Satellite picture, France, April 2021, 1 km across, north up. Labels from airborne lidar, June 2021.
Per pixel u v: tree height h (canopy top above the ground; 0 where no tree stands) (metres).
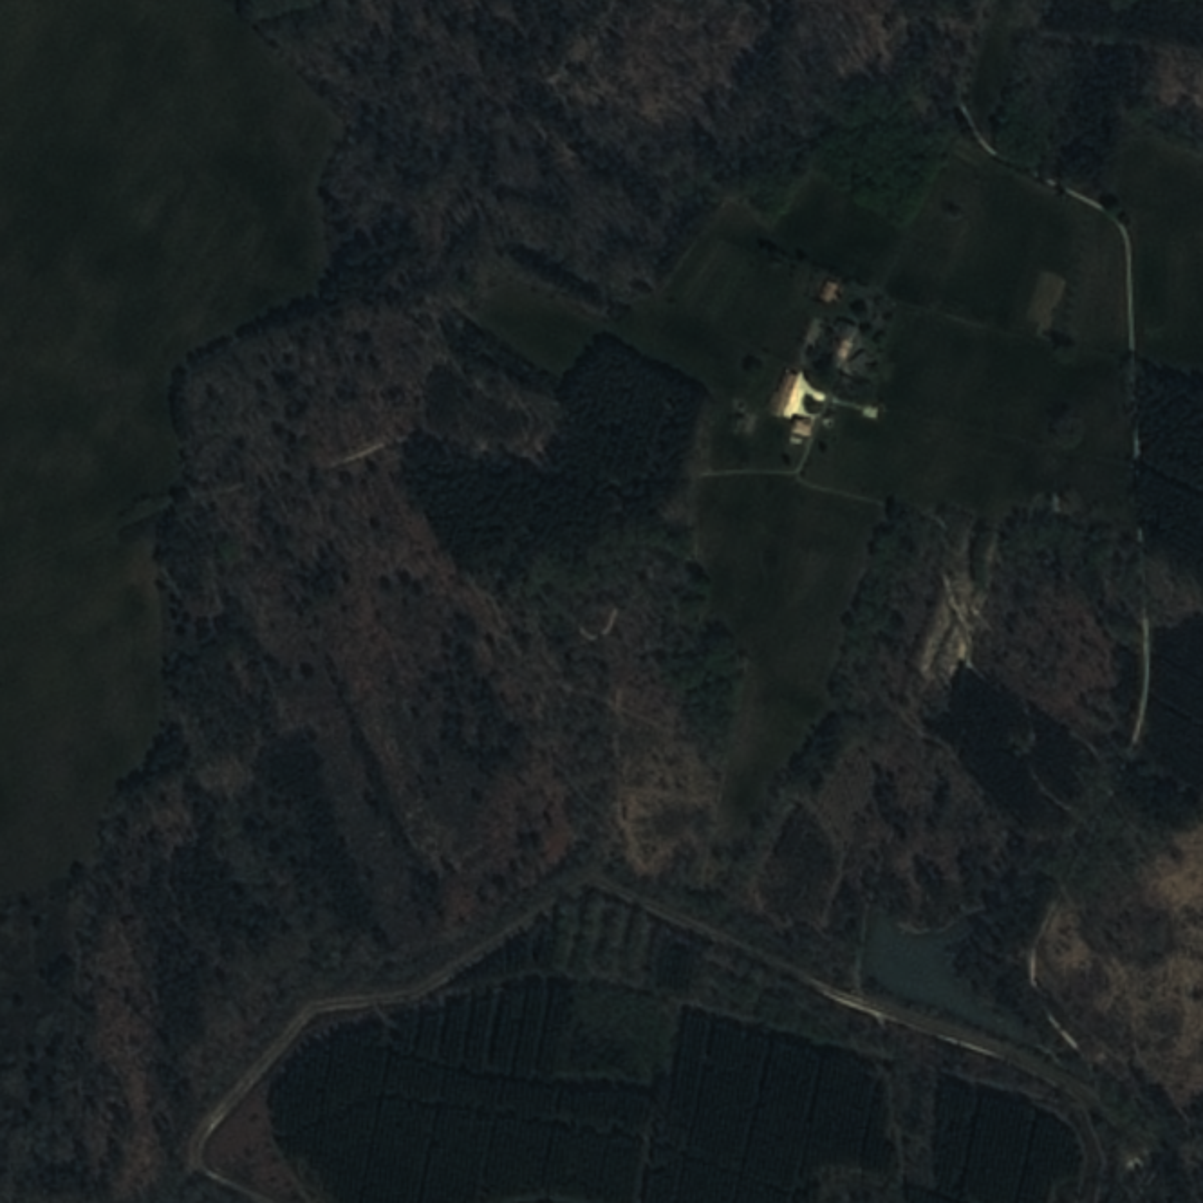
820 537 0
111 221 0
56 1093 15
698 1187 14
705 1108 15
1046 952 14
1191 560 16
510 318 0
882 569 15
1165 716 9
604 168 9
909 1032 7
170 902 13
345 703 14
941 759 5
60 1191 14
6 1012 0
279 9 14
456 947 10
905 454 0
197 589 16
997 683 17
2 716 0
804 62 16
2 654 0
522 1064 16
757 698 0
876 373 9
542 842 14
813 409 10
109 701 0
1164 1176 22
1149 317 0
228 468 12
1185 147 20
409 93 10
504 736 14
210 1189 14
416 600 9
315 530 10
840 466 0
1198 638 8
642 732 0
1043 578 9
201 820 17
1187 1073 0
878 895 9
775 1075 13
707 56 9
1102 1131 15
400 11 11
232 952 18
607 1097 15
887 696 11
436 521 20
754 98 22
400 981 9
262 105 0
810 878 7
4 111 0
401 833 12
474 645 13
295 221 0
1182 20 12
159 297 0
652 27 13
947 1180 16
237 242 0
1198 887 0
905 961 0
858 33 21
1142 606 12
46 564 0
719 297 0
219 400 13
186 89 0
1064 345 17
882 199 22
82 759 0
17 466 0
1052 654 9
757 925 20
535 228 8
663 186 14
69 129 0
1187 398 21
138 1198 15
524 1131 14
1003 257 0
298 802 16
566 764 14
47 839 0
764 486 0
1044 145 16
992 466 0
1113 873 20
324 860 15
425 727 8
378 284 16
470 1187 15
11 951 0
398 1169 16
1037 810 13
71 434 0
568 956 10
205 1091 16
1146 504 16
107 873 10
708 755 13
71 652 0
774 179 20
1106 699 11
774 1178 13
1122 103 17
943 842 10
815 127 18
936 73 13
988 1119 16
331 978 16
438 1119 10
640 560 18
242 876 17
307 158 0
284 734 11
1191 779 9
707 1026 13
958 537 11
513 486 22
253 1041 14
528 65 18
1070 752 12
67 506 0
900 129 28
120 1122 21
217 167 0
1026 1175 13
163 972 12
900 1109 10
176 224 0
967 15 24
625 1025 12
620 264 10
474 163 12
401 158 18
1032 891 18
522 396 10
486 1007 13
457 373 6
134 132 0
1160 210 0
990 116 0
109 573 0
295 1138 14
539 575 24
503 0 13
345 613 9
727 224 0
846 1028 10
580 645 10
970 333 0
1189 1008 0
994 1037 9
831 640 0
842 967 22
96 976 11
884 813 11
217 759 14
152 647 0
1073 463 0
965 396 0
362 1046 16
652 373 17
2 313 0
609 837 8
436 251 11
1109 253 0
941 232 0
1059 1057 6
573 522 21
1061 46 14
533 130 8
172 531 16
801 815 10
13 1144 15
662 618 17
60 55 0
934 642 0
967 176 0
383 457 9
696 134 8
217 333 0
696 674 22
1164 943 10
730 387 0
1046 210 0
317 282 0
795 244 0
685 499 18
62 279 0
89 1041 9
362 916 17
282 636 11
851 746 17
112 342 0
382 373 18
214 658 19
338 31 14
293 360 8
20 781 0
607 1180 12
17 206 0
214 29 0
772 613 0
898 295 0
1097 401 0
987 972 13
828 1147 13
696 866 20
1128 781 24
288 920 12
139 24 0
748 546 0
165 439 0
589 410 21
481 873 11
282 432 14
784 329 0
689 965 14
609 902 12
